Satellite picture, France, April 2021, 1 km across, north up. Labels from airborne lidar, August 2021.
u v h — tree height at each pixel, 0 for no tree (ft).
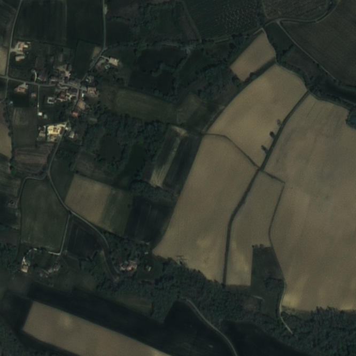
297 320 58
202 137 0
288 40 0
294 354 0
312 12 23
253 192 0
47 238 0
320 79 0
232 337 0
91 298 0
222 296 59
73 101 49
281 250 0
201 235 0
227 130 0
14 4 0
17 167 0
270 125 0
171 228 0
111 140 0
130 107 0
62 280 0
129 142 67
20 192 0
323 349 51
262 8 56
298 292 0
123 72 0
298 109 0
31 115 0
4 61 0
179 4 25
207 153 0
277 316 26
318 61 0
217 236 0
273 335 54
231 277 0
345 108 0
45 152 0
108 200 0
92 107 19
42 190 0
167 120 0
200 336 0
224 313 41
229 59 32
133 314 0
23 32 0
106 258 0
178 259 0
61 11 0
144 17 21
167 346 0
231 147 0
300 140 0
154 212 0
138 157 0
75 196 0
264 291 0
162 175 0
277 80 0
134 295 43
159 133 84
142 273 0
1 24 0
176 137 0
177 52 0
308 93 0
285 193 0
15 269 35
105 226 0
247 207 0
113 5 0
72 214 61
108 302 0
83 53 0
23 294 0
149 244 0
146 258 0
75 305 0
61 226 0
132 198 0
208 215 0
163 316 42
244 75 0
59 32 0
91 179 0
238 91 0
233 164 0
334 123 0
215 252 0
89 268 56
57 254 0
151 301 49
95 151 33
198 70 0
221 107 0
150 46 42
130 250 49
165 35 21
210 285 54
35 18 0
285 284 35
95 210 0
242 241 0
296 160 0
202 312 40
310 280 0
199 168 0
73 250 0
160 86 0
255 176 0
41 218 0
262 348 0
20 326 0
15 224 0
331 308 0
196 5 17
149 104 0
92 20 0
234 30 19
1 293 0
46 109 0
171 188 0
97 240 0
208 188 0
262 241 0
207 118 0
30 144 0
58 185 0
